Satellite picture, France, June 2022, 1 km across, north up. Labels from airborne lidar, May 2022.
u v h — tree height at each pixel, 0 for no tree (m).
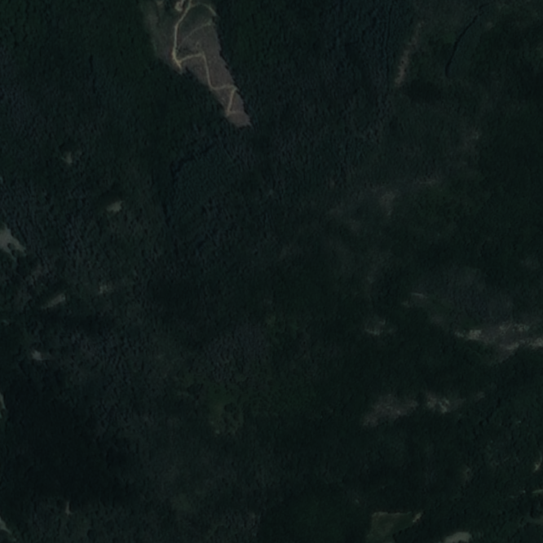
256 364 8
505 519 16
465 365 21
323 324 7
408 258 8
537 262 8
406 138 7
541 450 10
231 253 10
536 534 12
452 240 8
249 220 12
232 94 0
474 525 16
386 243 10
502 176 13
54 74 21
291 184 13
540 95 13
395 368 23
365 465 9
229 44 18
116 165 10
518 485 13
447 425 22
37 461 23
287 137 20
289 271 11
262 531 19
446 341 16
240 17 19
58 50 20
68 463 22
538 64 8
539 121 21
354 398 14
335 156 16
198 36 0
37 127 13
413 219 6
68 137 16
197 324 17
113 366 11
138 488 10
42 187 15
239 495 9
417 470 14
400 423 16
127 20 22
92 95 19
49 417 26
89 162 12
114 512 9
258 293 14
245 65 16
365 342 9
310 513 15
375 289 7
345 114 18
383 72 19
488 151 15
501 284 12
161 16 0
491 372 23
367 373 17
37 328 16
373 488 12
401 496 12
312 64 14
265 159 17
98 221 13
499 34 9
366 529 21
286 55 16
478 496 13
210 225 6
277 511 18
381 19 21
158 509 10
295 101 19
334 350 14
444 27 6
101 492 21
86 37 17
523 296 8
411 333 14
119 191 16
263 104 22
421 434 18
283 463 11
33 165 18
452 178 11
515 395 14
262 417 9
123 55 20
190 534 8
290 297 10
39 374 6
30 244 21
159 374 7
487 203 9
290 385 6
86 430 13
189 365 6
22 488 23
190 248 15
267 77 17
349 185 6
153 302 16
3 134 22
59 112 24
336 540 15
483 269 8
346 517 18
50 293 15
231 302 17
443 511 15
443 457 15
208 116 11
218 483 7
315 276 15
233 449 6
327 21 32
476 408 11
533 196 13
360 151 25
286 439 15
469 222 12
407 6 24
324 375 10
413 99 7
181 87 20
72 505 11
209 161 34
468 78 8
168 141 15
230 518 14
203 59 0
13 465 23
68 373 6
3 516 15
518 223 18
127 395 8
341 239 8
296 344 11
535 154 18
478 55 9
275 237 10
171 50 0
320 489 17
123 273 7
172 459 7
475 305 9
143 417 13
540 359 15
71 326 23
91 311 12
